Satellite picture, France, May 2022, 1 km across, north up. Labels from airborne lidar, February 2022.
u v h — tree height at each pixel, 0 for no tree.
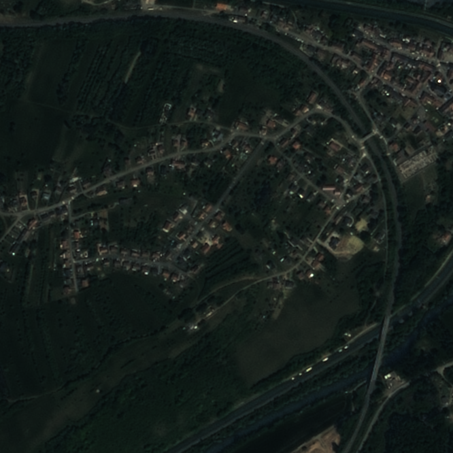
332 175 0
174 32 6
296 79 7
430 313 0
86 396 0
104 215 0
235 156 0
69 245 0
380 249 0
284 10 5
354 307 0
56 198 0
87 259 0
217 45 8
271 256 0
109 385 0
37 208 0
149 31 15
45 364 0
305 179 0
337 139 0
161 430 0
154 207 0
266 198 18
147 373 7
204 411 9
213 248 0
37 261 0
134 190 8
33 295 0
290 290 0
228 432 13
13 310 0
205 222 0
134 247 0
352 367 16
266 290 0
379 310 11
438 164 11
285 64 9
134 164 0
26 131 0
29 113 0
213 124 0
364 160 0
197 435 0
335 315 0
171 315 9
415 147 0
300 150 0
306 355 6
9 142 0
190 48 7
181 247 0
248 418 13
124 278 0
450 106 0
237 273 8
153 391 7
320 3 0
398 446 27
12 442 0
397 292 17
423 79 0
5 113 0
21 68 9
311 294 0
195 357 13
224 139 0
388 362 0
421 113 0
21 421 0
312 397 0
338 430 19
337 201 0
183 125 0
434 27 0
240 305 0
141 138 0
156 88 11
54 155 0
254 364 0
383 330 0
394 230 16
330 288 0
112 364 0
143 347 0
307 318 0
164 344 0
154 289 0
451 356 12
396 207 0
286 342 0
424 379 13
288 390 0
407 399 0
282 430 0
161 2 0
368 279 16
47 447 7
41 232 0
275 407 17
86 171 0
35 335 0
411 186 0
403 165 0
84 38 8
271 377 9
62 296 0
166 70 8
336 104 6
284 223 6
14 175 0
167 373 6
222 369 6
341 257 0
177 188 0
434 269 16
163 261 0
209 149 0
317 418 0
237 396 0
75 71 7
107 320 0
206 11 0
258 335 0
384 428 0
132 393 12
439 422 21
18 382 6
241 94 0
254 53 7
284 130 0
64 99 19
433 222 16
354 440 0
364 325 0
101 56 7
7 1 0
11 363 0
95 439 9
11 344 0
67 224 9
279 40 0
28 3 0
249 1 11
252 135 0
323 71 14
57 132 0
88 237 0
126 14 0
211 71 0
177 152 0
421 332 20
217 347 7
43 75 0
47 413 0
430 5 0
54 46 0
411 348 14
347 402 0
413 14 0
